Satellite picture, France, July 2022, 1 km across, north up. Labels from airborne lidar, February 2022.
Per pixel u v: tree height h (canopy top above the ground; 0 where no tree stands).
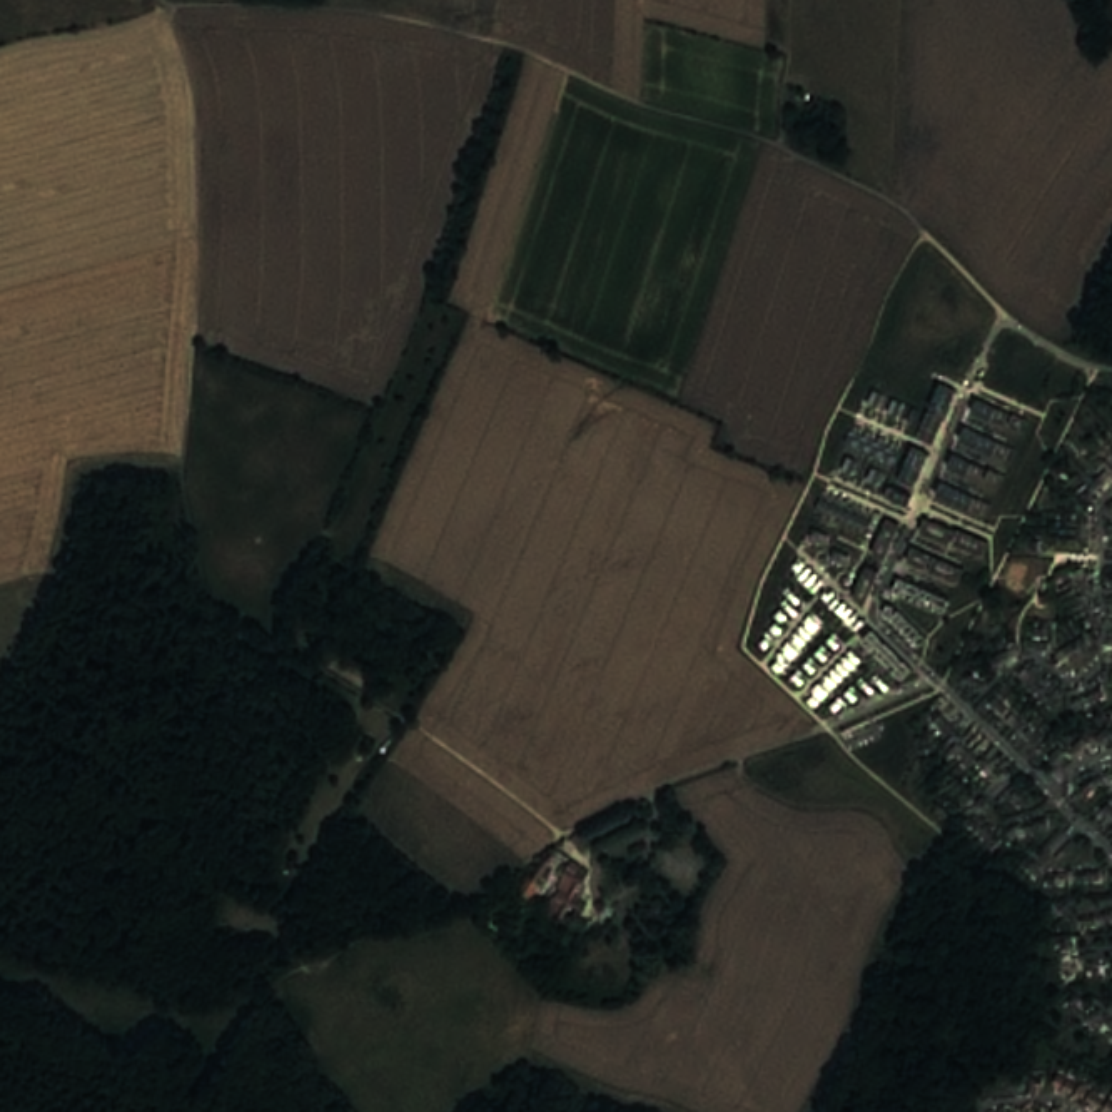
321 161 0
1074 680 0
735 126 0
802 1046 0
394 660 23
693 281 0
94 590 20
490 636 0
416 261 0
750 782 0
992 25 0
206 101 0
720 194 0
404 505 0
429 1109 0
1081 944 9
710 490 0
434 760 0
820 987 0
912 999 22
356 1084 0
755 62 0
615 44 0
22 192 0
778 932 0
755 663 0
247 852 17
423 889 15
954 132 0
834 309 0
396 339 0
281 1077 27
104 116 0
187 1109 25
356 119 0
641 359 0
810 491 0
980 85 0
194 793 19
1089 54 15
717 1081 0
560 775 0
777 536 0
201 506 0
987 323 0
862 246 0
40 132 0
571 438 0
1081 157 0
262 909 19
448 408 0
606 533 0
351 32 0
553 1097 23
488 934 6
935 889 22
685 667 0
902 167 0
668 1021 0
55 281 0
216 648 20
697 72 0
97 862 19
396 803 0
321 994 0
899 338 0
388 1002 0
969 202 0
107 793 21
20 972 0
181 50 0
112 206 0
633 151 0
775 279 0
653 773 0
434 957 0
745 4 0
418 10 0
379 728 0
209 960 15
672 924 9
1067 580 0
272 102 0
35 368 0
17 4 0
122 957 20
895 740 0
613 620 0
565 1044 0
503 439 0
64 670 23
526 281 0
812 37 0
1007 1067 21
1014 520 0
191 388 0
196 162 0
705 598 0
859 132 0
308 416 0
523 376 0
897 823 0
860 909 0
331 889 21
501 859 0
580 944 14
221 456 0
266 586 0
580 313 0
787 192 0
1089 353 7
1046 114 0
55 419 0
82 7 0
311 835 0
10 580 0
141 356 0
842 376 0
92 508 19
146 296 0
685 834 20
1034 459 0
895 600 0
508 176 0
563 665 0
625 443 0
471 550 0
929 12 0
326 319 0
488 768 0
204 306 0
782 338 0
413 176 0
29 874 21
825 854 0
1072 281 0
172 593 20
